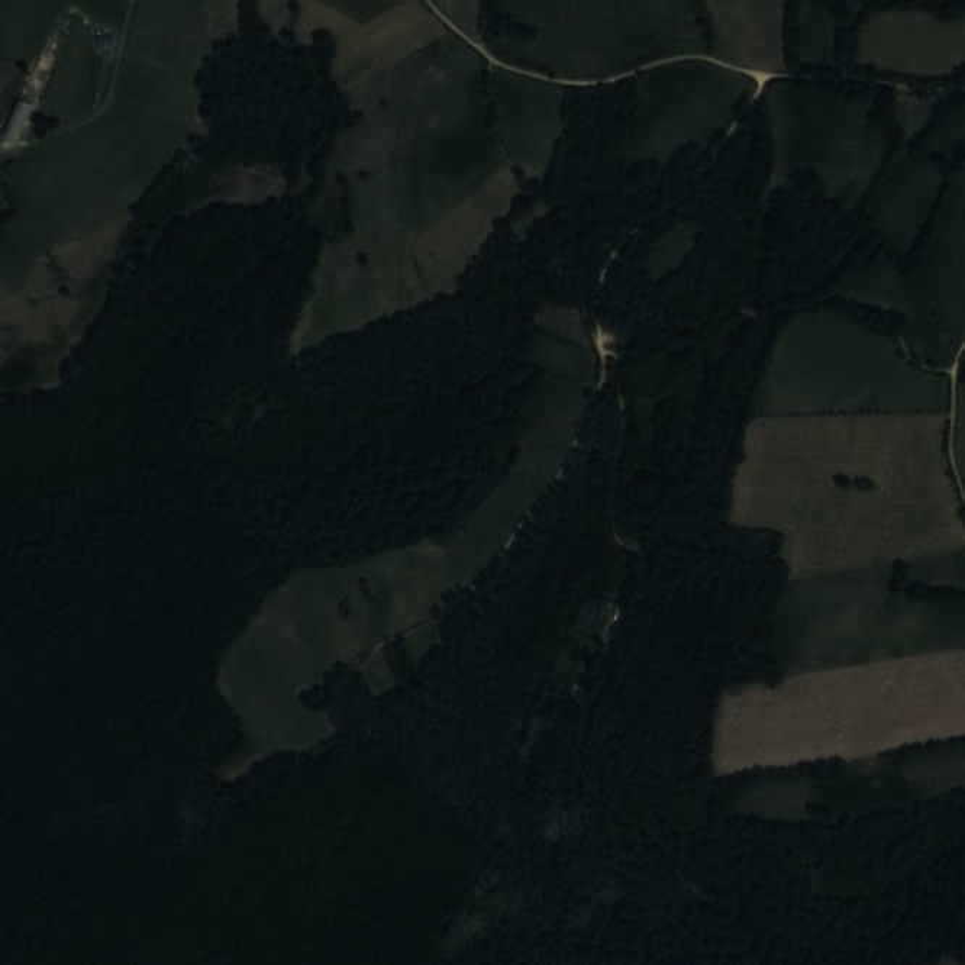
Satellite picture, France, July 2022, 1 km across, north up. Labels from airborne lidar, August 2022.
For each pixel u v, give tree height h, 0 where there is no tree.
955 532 0
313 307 0
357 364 21
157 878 20
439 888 25
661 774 15
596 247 21
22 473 19
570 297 18
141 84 0
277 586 7
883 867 22
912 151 20
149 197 10
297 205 22
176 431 19
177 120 0
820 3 12
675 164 18
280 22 0
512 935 20
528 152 0
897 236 0
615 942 27
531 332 13
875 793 0
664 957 12
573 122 7
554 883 18
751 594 14
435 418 21
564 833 12
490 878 11
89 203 0
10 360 0
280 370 18
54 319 0
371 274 0
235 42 15
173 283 31
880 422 0
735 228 23
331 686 19
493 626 22
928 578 0
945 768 0
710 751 10
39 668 18
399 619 0
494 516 0
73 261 0
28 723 19
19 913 21
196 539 22
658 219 13
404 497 25
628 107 22
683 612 23
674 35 0
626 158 0
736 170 18
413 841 23
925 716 0
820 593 0
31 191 0
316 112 27
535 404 0
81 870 21
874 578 0
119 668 20
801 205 23
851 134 0
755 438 0
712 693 19
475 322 15
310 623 0
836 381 0
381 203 0
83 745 21
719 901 23
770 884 9
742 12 0
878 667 0
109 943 22
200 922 19
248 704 0
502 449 0
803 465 0
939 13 16
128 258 12
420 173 0
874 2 14
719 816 19
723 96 0
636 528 7
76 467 21
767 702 0
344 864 21
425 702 24
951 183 10
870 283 0
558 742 25
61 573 21
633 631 27
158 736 23
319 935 22
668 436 11
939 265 0
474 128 0
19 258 0
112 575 21
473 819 20
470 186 0
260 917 25
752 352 0
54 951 21
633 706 15
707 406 24
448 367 22
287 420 18
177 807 18
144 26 0
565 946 22
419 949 25
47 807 19
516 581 25
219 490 10
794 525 0
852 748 0
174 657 21
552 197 21
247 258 24
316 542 17
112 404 22
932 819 15
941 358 0
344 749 20
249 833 24
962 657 0
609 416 23
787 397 0
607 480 24
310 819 21
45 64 0
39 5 0
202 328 29
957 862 24
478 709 29
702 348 0
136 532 25
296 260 16
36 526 18
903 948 21
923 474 0
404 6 0
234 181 0
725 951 18
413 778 20
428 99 0
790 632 0
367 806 23
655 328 14
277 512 21
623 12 0
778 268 20
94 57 0
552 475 0
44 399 24
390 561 0
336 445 23
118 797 28
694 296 25
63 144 0
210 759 14
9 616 21
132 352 28
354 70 0
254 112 19
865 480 10
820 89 11
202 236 31
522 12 0
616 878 21
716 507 22
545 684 14
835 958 16
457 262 0
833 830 14
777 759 0
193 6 0
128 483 18
